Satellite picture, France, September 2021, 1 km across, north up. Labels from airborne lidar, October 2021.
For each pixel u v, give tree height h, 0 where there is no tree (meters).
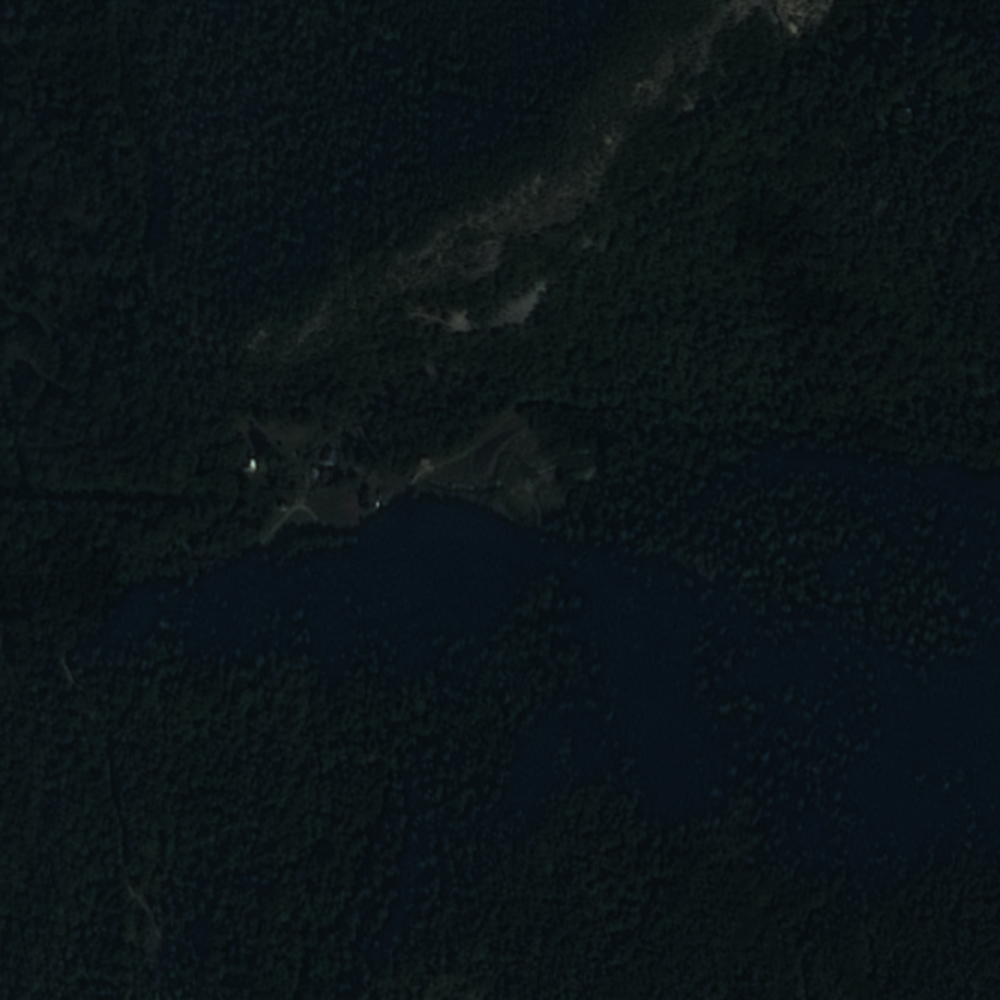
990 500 17
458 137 19
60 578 24
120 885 12
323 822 22
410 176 16
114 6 18
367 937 15
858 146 23
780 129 17
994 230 32
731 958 26
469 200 9
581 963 25
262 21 17
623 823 19
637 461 21
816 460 14
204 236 18
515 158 11
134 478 30
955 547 26
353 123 12
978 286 18
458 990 9
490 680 14
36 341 23
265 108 19
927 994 22
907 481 28
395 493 0
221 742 23
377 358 14
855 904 18
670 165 20
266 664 15
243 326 10
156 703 11
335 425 16
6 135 19
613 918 22
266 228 21
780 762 31
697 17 8
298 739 14
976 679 23
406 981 11
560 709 31
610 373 20
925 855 29
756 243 10
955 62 20
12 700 25
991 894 18
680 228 15
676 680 24
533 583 17
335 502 0
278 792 15
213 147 10
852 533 23
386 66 12
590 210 27
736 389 9
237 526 15
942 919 19
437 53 20
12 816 21
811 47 16
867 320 21
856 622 27
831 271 23
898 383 7
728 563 23
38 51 29
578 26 16
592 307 10
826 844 34
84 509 15
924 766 15
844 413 15
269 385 18
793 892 16
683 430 21
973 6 25
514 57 14
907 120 23
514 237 16
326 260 18
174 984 9
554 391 13
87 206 25
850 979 16
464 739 25
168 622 9
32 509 25
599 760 22
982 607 29
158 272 25
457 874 17
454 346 10
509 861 16
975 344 27
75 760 17
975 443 18
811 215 16
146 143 6
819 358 18
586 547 7
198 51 9
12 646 18
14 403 9
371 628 20
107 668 18
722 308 16
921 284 17
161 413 26
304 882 17
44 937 15
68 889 15
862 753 35
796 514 27
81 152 18
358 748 20
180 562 19
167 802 19
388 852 28
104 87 14
